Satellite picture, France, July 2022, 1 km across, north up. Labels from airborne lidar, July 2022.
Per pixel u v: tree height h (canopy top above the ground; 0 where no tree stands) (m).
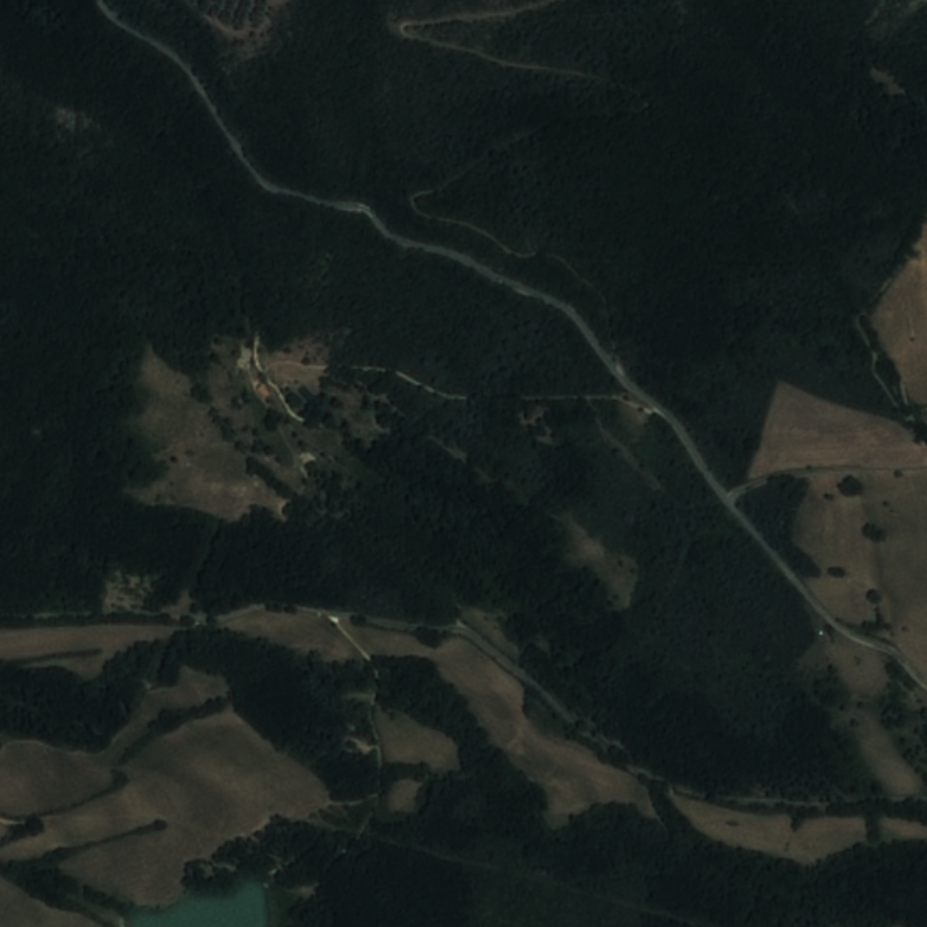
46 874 13
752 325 13
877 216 7
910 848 12
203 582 16
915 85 17
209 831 0
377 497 16
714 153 11
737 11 24
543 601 12
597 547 0
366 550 10
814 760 13
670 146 13
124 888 0
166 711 11
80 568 18
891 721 13
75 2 27
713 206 9
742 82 13
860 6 10
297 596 18
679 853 22
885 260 5
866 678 0
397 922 10
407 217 9
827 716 14
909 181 16
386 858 13
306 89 7
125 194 10
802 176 12
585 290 8
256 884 0
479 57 6
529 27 7
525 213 9
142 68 15
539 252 6
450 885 14
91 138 7
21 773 0
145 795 0
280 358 0
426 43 6
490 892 5
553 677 13
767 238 15
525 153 8
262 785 0
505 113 8
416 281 8
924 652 0
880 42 8
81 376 18
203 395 16
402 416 7
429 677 14
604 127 15
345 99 9
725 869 15
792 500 10
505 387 9
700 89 16
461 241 6
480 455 12
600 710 13
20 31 25
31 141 10
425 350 9
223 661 15
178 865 0
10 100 7
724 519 6
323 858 19
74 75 17
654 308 7
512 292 11
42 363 16
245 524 12
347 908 14
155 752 0
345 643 0
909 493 0
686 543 8
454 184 9
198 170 21
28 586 16
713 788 14
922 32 9
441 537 18
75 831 0
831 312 7
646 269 11
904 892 16
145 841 0
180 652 14
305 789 0
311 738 16
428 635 13
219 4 13
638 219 18
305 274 10
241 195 17
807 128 16
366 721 12
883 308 0
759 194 11
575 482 16
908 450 0
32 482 15
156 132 24
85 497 11
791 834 0
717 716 13
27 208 22
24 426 16
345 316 7
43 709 15
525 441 7
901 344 0
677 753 14
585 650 14
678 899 17
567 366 8
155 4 12
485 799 7
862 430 0
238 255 18
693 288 12
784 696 12
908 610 0
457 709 15
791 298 7
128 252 14
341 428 7
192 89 8
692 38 11
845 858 14
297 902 8
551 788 0
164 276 13
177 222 10
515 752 0
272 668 16
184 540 20
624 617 9
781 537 10
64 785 0
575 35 6
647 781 14
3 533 18
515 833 13
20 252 14
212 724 0
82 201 12
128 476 8
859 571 0
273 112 8
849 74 20
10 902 0
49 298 16
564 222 10
